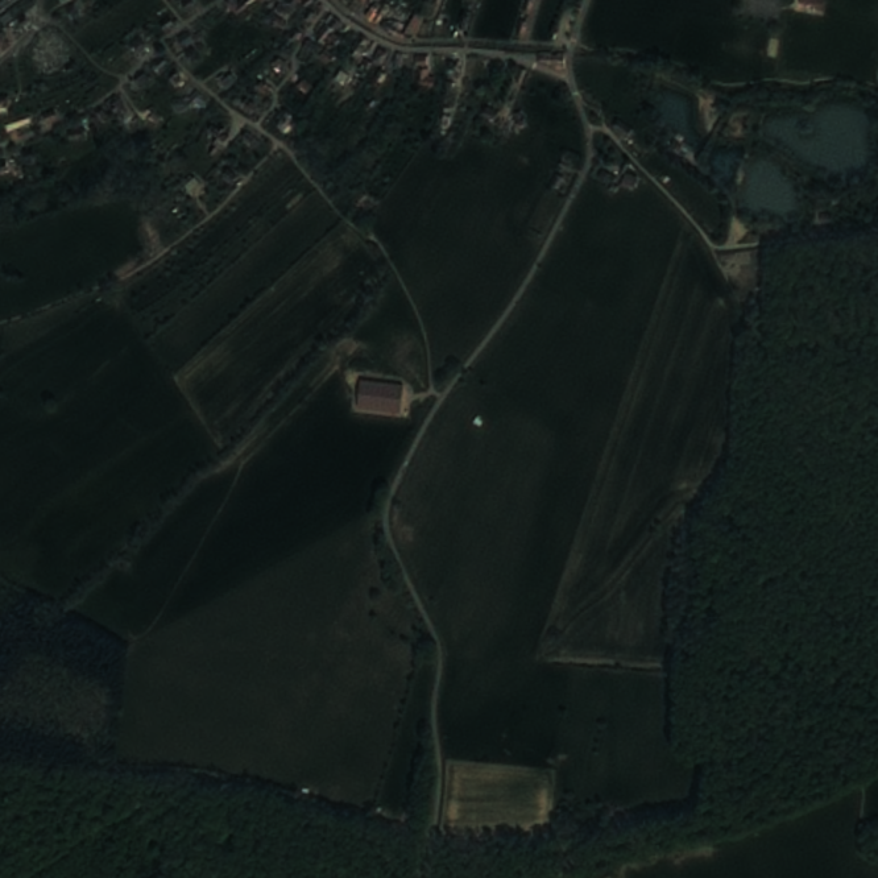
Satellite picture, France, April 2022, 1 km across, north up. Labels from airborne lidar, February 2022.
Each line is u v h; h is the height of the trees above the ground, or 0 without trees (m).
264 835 25
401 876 27
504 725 0
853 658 28
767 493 27
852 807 0
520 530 0
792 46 0
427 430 0
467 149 0
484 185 0
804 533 28
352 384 0
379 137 7
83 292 10
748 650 30
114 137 11
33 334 0
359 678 0
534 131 0
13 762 23
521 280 0
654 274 0
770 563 28
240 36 0
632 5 0
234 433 0
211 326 0
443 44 0
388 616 0
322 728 0
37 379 0
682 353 0
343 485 0
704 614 27
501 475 0
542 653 0
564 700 0
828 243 27
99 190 35
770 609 28
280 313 0
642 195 0
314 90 8
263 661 0
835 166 0
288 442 0
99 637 23
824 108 0
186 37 0
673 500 0
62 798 18
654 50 0
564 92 9
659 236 0
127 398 0
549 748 0
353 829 25
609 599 0
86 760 26
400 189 0
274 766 0
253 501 0
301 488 0
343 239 0
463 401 0
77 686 23
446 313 0
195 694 0
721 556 29
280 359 0
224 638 0
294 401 0
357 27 0
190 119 0
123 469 0
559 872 31
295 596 0
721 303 0
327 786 0
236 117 0
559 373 0
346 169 18
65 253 0
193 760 0
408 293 0
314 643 0
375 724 0
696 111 0
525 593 0
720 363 0
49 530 0
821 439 30
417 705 0
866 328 30
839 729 31
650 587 0
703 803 25
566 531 0
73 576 0
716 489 22
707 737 30
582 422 0
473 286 0
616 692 0
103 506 0
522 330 0
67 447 0
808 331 30
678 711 26
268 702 0
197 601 0
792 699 30
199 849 25
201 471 14
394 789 0
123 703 10
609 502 0
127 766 12
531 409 0
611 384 0
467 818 0
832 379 29
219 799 25
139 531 15
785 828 0
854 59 0
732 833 23
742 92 8
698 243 0
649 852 24
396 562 20
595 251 0
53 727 21
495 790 0
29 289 0
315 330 0
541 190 0
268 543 0
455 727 0
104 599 0
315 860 29
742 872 0
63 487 0
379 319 0
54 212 17
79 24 9
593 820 0
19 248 0
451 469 0
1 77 0
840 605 28
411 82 6
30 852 21
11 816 22
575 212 0
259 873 28
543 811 0
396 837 26
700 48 0
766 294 20
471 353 0
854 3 0
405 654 0
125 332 0
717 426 0
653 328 0
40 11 0
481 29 0
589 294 0
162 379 0
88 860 13
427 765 16
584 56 0
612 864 27
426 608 0
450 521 0
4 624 21
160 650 0
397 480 0
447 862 25
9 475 0
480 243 0
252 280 0
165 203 17
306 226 0
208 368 0
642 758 0
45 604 19
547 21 0
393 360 0
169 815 24
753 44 0
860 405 28
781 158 0
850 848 0
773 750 29
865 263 28
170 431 0
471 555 0
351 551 0
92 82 8
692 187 0
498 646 0
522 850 27
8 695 24
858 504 27
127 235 0
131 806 25
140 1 0
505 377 0
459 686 0
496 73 13
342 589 0
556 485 0
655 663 0
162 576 0
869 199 12
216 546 0
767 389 28
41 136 18
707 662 29
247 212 0
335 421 0
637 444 0
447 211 0
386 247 8
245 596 0
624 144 0
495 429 0
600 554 0
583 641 0
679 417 0
